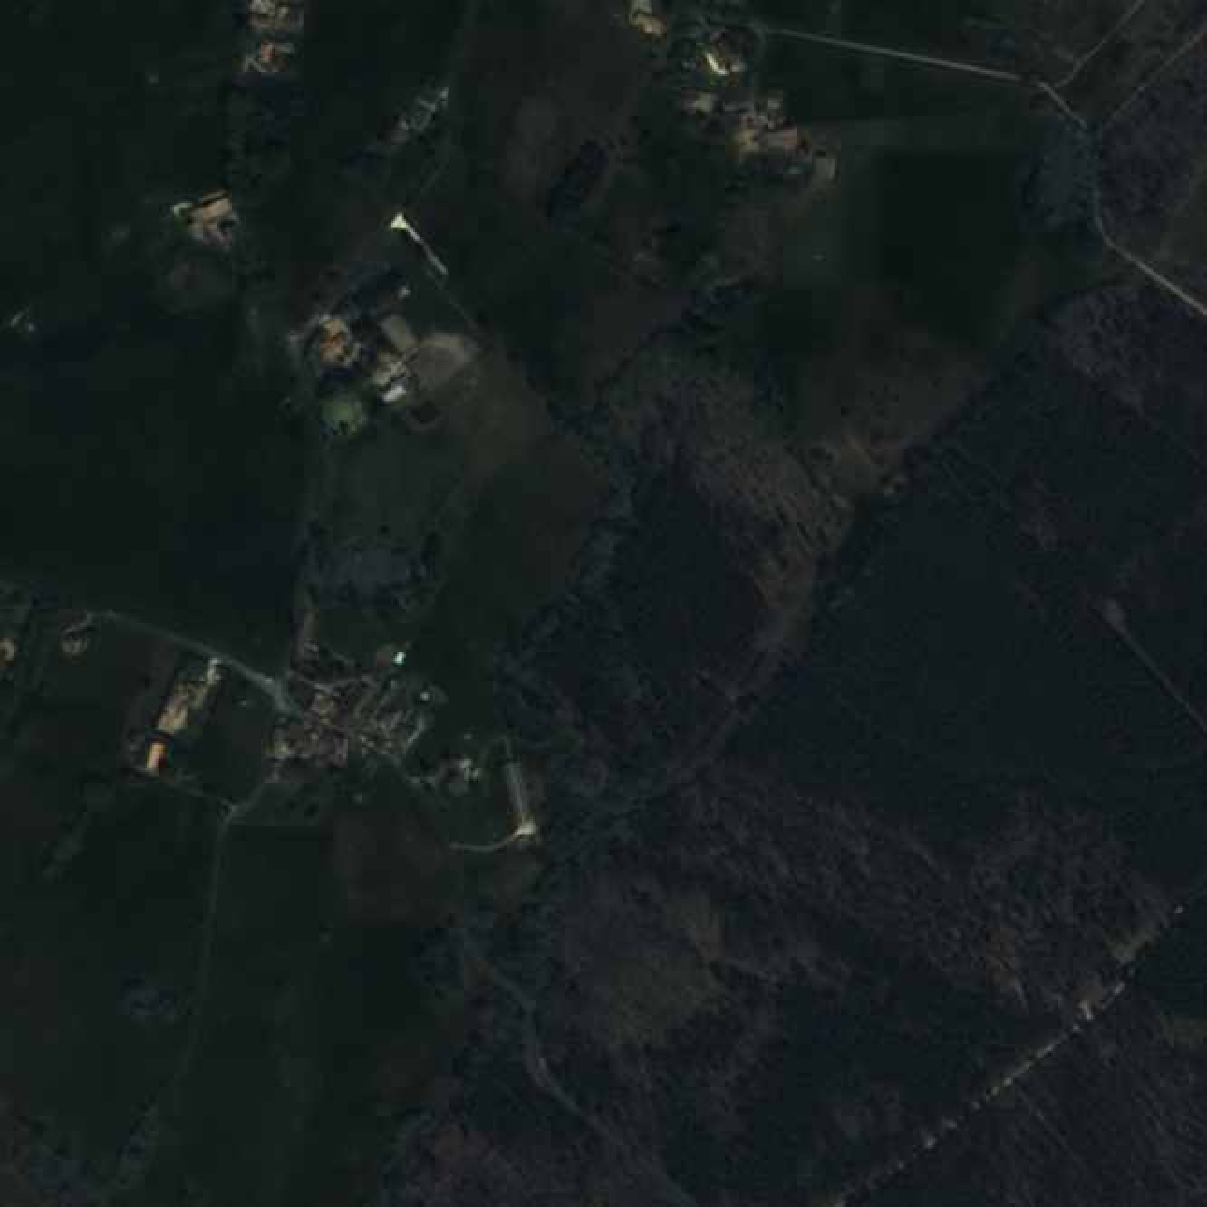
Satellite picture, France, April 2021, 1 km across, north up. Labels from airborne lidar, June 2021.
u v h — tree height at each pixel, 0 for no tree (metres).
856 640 14
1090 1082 16
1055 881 8
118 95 0
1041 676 14
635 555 17
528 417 0
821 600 0
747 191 6
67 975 0
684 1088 16
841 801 16
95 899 0
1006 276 0
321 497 0
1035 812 14
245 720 0
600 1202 0
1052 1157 15
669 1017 12
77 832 11
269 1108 0
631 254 0
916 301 0
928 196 0
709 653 18
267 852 0
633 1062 17
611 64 0
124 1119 0
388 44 0
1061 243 0
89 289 0
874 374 0
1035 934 7
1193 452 10
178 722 0
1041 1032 16
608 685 11
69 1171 18
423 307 0
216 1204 0
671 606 16
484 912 11
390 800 0
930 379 0
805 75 0
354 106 0
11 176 0
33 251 0
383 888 0
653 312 0
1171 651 12
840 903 8
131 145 0
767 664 12
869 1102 10
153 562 0
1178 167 16
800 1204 14
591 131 0
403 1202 23
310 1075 0
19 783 0
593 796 16
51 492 0
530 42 0
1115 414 16
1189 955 16
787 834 15
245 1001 0
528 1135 14
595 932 16
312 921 0
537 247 0
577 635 14
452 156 0
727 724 13
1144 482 15
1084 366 7
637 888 9
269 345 0
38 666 13
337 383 14
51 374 0
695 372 13
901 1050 15
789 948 15
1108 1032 17
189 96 0
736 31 10
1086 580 14
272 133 0
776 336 0
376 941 0
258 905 0
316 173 0
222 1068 0
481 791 13
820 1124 15
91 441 0
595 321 0
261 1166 0
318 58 0
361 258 0
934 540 12
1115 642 17
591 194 14
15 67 0
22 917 0
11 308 0
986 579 12
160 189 0
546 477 0
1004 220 0
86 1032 0
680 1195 0
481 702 0
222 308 0
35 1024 0
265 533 0
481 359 0
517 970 19
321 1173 0
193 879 0
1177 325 12
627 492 9
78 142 0
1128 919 13
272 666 0
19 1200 0
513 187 0
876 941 12
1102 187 11
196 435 0
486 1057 20
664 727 17
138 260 0
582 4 0
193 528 0
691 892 15
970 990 10
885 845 13
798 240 0
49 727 0
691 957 18
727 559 17
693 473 16
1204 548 10
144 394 0
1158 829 14
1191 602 11
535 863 0
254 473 0
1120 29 0
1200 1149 10
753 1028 9
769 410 18
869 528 0
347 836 0
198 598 0
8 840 0
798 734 17
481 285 0
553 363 0
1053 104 12
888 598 14
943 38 0
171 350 0
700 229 0
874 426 0
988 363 0
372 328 14
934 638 15
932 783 18
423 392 0
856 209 0
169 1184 0
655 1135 13
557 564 0
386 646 0
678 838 14
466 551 0
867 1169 16
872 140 0
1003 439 16
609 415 13
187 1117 0
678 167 7
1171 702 16
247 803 0
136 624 0
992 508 19
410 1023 0
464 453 0
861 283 0
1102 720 17
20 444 0
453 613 0
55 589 0
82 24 0
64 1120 0
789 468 0
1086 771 16
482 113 0
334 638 0
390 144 10
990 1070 9
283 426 0
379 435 0
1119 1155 14
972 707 14
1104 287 8
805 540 6
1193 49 7
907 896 14
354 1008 0
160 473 0
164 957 0
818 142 0
